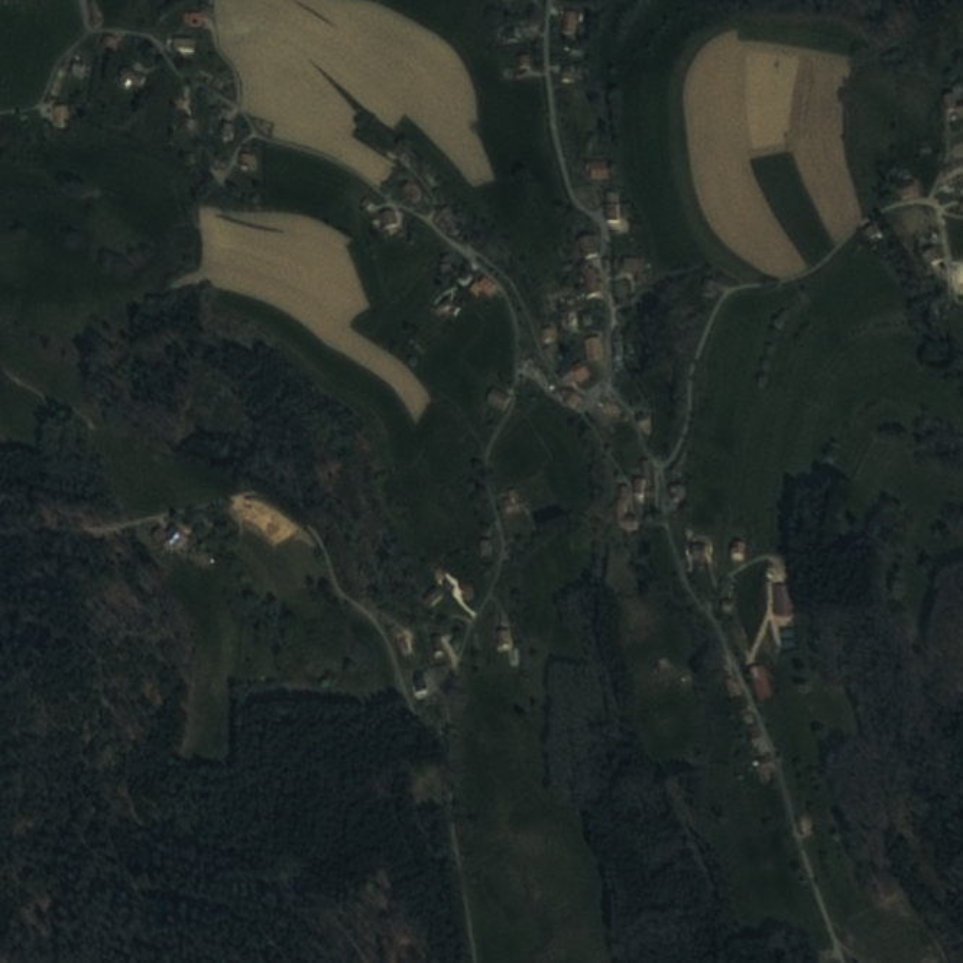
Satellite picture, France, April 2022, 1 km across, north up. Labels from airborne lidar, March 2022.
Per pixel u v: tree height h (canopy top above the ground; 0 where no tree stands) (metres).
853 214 0
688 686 0
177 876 36
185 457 23
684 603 12
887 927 0
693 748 0
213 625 0
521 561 19
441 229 0
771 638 0
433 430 0
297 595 0
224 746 0
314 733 31
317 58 0
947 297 16
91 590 34
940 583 24
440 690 0
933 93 0
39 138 0
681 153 0
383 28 0
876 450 0
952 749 27
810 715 0
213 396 0
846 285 0
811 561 28
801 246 0
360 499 0
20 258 0
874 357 0
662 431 0
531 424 0
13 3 0
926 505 0
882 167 6
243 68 0
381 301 0
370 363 0
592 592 21
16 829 18
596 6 17
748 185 0
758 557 0
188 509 0
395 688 0
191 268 9
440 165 0
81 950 9
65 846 15
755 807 0
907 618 22
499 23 12
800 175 0
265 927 31
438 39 0
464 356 0
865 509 0
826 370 0
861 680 25
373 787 19
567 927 0
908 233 0
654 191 0
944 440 21
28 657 31
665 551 0
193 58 0
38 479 19
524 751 0
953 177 0
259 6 0
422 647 0
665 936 26
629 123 0
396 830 27
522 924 0
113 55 16
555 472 0
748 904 0
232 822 23
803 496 28
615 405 0
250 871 27
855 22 24
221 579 0
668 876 22
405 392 0
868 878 38
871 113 0
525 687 0
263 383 20
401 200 0
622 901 31
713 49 0
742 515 0
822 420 0
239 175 0
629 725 18
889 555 17
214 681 0
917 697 30
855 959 0
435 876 30
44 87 0
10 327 0
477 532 0
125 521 23
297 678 0
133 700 25
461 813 21
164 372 8
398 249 0
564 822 0
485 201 0
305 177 0
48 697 26
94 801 34
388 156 0
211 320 0
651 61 0
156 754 24
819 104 0
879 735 23
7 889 8
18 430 0
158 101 0
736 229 0
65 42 0
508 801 0
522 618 13
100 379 23
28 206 0
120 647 25
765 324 0
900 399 0
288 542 0
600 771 26
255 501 0
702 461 0
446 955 29
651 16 0
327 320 0
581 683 25
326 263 0
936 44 0
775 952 32
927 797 31
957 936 16
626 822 27
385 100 0
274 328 0
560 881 0
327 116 0
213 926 33
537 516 0
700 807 12
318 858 14
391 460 0
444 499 0
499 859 0
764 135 0
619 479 9
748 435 0
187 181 0
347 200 0
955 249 0
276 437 27
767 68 0
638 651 0
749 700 0
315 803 19
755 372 0
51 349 16
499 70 0
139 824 18
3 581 20
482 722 0
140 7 0
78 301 0
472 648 0
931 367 11
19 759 25
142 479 0
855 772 33
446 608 0
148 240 0
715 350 0
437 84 0
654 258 0
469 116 0
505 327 0
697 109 0
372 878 27
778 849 0
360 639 0
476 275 10
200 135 0
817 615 21
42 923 13
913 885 25
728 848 0
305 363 0
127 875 13
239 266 0
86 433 23
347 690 0
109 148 0
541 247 0
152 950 8
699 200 0
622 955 29
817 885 10
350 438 17
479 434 0
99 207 0
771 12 27
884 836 32
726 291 0
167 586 0
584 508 0
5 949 18
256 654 0
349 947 30
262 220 0
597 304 0
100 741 24
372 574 9
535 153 0
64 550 27
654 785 26
